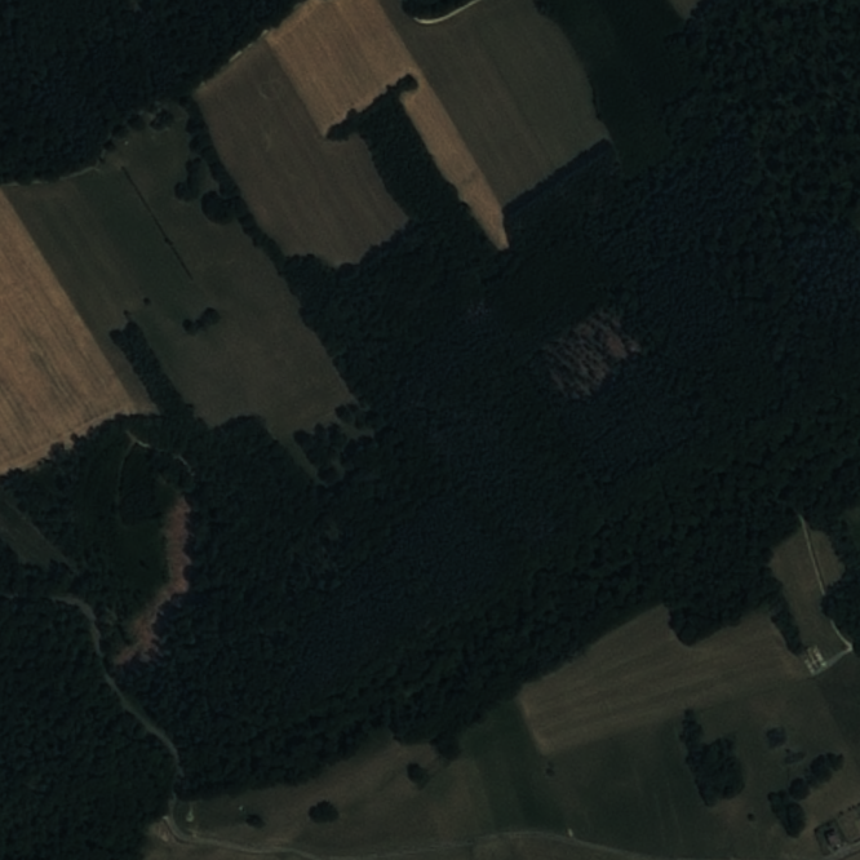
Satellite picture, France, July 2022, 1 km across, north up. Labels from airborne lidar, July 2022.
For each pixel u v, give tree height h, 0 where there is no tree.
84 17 25
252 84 0
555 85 0
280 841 0
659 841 0
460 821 0
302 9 0
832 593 13
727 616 26
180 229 0
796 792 18
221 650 26
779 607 17
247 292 0
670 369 15
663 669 0
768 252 31
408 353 21
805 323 25
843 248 27
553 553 12
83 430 0
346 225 0
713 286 9
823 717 0
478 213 0
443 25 0
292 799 0
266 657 25
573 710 0
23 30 21
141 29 27
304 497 18
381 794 0
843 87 32
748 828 0
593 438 12
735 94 24
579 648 22
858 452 27
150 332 0
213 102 0
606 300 12
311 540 22
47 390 0
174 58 25
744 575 23
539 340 16
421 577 14
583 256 16
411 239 21
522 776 0
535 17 0
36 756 26
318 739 28
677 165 14
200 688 25
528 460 18
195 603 13
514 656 29
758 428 21
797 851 0
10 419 0
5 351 0
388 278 22
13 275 0
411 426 21
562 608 31
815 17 10
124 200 0
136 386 0
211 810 0
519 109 0
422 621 15
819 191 26
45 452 0
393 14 0
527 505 13
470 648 30
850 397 30
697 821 0
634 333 17
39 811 19
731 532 25
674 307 20
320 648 17
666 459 17
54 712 29
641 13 6
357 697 9
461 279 26
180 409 9
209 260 0
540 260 16
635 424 13
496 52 0
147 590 0
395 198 11
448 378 25
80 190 0
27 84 28
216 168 17
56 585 27
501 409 20
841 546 20
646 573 28
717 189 17
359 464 18
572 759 0
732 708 0
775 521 25
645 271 15
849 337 17
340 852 0
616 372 22
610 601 27
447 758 19
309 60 0
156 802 31
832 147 7
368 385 26
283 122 0
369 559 22
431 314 20
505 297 15
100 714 25
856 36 9
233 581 30
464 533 20
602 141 0
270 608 27
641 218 22
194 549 21
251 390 0
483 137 0
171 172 0
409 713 21
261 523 20
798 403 22
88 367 0
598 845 0
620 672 0
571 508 15
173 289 0
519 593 28
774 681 0
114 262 0
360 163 0
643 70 6
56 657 25
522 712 0
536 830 0
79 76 20
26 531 0
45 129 26
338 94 0
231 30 25
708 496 35
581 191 15
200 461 25
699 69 12
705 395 19
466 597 14
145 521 11
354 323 20
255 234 18
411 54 0
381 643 13
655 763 0
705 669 0
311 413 0
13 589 26
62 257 0
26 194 0
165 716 33
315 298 13
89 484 7
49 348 0
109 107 26
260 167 0
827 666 0
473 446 14
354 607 21
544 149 0
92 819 27
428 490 16
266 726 24
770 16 10
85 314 0
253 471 18
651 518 30
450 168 0
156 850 0
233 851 0
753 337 12
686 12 0
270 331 0
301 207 0
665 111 11
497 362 14
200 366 0
